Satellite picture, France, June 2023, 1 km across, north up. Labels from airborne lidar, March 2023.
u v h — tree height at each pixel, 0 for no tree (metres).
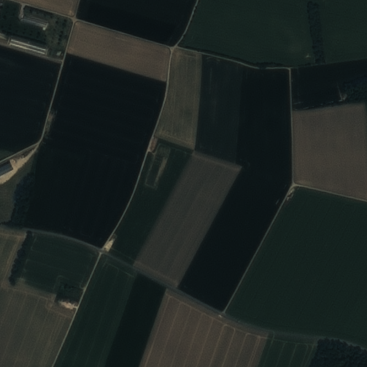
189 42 0
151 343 0
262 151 0
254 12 0
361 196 0
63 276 0
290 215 0
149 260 0
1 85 0
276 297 0
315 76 0
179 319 0
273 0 0
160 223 0
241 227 0
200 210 0
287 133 0
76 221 0
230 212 0
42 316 0
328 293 0
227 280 0
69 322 0
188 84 0
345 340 0
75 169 0
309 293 0
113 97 0
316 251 0
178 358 0
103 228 0
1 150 0
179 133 0
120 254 0
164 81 0
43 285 0
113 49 0
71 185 0
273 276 0
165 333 0
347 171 0
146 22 0
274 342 0
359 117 0
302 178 0
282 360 0
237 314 0
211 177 0
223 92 0
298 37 0
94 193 0
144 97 0
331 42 0
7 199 0
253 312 0
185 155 0
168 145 0
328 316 0
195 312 0
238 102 0
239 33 0
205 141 0
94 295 0
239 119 0
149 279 0
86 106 0
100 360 0
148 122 0
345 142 0
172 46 0
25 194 21
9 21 0
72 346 0
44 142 0
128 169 0
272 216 0
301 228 0
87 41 0
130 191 0
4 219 0
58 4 0
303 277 0
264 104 0
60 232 0
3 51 0
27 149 0
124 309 0
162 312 0
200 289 0
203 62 0
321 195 0
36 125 0
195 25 0
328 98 0
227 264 0
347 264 0
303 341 0
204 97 0
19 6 0
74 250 0
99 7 0
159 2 0
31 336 0
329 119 0
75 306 0
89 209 0
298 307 0
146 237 0
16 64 0
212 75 0
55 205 0
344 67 0
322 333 0
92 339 0
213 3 0
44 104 0
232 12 0
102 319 0
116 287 0
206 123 0
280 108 0
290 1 0
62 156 0
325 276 0
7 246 0
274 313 0
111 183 0
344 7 0
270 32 0
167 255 0
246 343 0
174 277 0
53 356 0
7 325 0
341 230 0
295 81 0
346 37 0
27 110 0
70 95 0
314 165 0
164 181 0
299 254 0
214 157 0
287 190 0
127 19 0
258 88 0
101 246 0
